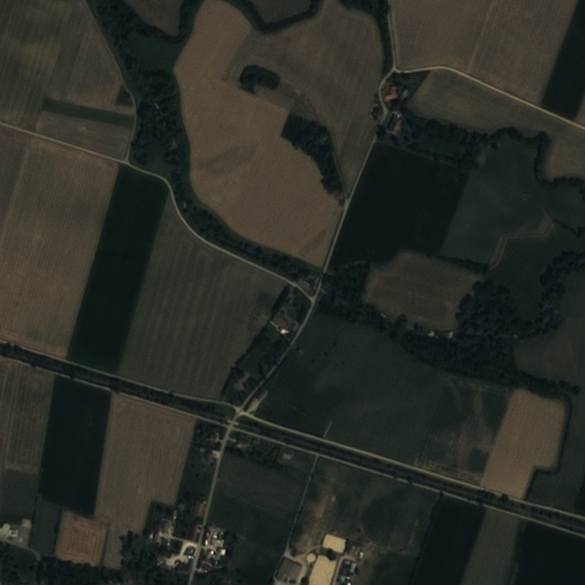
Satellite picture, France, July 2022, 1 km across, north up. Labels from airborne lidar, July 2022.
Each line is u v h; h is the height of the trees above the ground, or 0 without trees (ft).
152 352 0
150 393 28
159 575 21
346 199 0
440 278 0
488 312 76
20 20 0
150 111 50
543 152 43
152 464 0
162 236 0
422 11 0
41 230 0
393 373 0
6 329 0
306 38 0
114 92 0
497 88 0
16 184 0
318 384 0
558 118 0
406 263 0
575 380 0
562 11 0
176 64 0
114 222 0
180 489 0
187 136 0
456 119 0
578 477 0
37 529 0
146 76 46
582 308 0
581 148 0
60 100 0
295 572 0
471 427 0
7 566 24
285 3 0
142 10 0
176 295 0
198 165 0
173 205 0
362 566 0
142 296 0
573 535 0
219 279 0
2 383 0
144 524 0
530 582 0
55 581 51
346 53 0
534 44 0
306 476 0
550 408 0
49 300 0
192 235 0
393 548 0
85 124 0
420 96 0
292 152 0
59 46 0
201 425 34
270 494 0
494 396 0
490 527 0
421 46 0
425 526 0
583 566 0
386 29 35
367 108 0
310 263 0
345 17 0
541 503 0
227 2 0
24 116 0
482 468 0
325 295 0
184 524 19
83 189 0
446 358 90
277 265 43
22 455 0
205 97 0
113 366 0
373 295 0
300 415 0
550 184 40
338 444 0
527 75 0
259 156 0
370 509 0
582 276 0
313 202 0
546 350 0
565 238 0
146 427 0
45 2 0
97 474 0
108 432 0
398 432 0
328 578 0
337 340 0
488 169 0
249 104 0
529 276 0
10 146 0
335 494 0
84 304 0
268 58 0
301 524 0
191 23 0
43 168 0
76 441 0
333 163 58
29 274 0
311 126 51
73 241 0
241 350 0
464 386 0
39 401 0
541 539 0
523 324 55
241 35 0
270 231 0
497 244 0
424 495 0
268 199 0
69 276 0
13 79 0
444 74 0
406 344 19
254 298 0
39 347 0
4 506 0
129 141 0
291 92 0
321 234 0
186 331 0
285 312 0
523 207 0
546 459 0
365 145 0
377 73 0
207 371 0
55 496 0
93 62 0
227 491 0
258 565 0
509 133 36
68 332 0
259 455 26
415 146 54
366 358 0
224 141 0
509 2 0
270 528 0
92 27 0
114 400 0
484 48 0
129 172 0
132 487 0
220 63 0
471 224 0
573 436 0
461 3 0
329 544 0
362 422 0
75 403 0
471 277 0
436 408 0
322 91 0
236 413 0
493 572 0
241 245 31
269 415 0
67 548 0
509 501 47
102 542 0
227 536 39
